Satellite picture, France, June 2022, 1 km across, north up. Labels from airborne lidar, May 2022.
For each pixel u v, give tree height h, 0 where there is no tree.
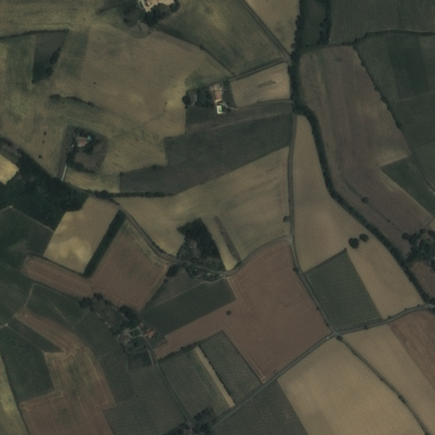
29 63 0
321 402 0
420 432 0
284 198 0
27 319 0
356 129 0
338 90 0
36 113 0
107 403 0
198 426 8
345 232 0
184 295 0
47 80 0
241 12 0
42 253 0
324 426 0
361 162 0
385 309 0
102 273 0
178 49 0
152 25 12
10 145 11
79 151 11
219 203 0
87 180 0
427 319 0
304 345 0
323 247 0
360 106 0
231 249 0
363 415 0
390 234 0
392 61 0
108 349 0
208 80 0
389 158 0
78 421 0
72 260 0
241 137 0
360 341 0
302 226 0
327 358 0
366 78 0
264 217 0
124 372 0
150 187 0
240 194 0
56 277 0
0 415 0
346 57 0
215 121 0
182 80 0
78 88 0
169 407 0
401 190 0
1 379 0
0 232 0
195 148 0
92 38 0
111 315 0
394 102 0
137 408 0
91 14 0
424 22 0
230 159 0
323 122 0
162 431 0
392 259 0
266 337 0
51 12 0
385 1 0
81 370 0
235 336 0
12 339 0
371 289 0
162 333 0
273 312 0
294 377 0
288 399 0
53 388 0
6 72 0
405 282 0
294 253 0
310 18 0
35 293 0
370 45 0
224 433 0
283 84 0
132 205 0
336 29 0
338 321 0
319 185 0
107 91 0
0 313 0
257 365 0
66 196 7
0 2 0
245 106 0
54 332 0
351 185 0
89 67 0
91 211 0
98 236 0
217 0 0
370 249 0
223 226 0
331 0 9
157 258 0
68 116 0
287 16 0
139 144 0
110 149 0
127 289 0
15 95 0
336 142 0
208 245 13
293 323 0
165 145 0
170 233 0
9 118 0
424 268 0
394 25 0
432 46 0
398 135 0
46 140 0
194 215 0
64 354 0
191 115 0
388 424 0
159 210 0
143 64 0
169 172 0
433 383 0
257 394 0
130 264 0
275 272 0
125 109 0
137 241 0
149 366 0
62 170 0
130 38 0
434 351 0
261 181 0
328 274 0
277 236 0
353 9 0
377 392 0
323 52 0
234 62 0
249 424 0
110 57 0
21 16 0
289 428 0
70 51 0
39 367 0
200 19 0
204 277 10
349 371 0
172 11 7
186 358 0
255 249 0
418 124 0
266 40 0
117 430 0
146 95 0
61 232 0
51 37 0
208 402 0
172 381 0
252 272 0
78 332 0
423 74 0
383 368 0
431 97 0
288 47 0
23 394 0
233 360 0
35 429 0
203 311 0
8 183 6
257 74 0
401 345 0
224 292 0
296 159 0
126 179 0
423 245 12
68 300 0
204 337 0
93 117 0
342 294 0
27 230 0
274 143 0
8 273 0
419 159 0
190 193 0
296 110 15
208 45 0
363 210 0
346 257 0
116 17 0
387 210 0
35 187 11
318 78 0
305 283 0
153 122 0
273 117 0
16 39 0
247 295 0
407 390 0
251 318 0
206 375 0
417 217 0
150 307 0
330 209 0
